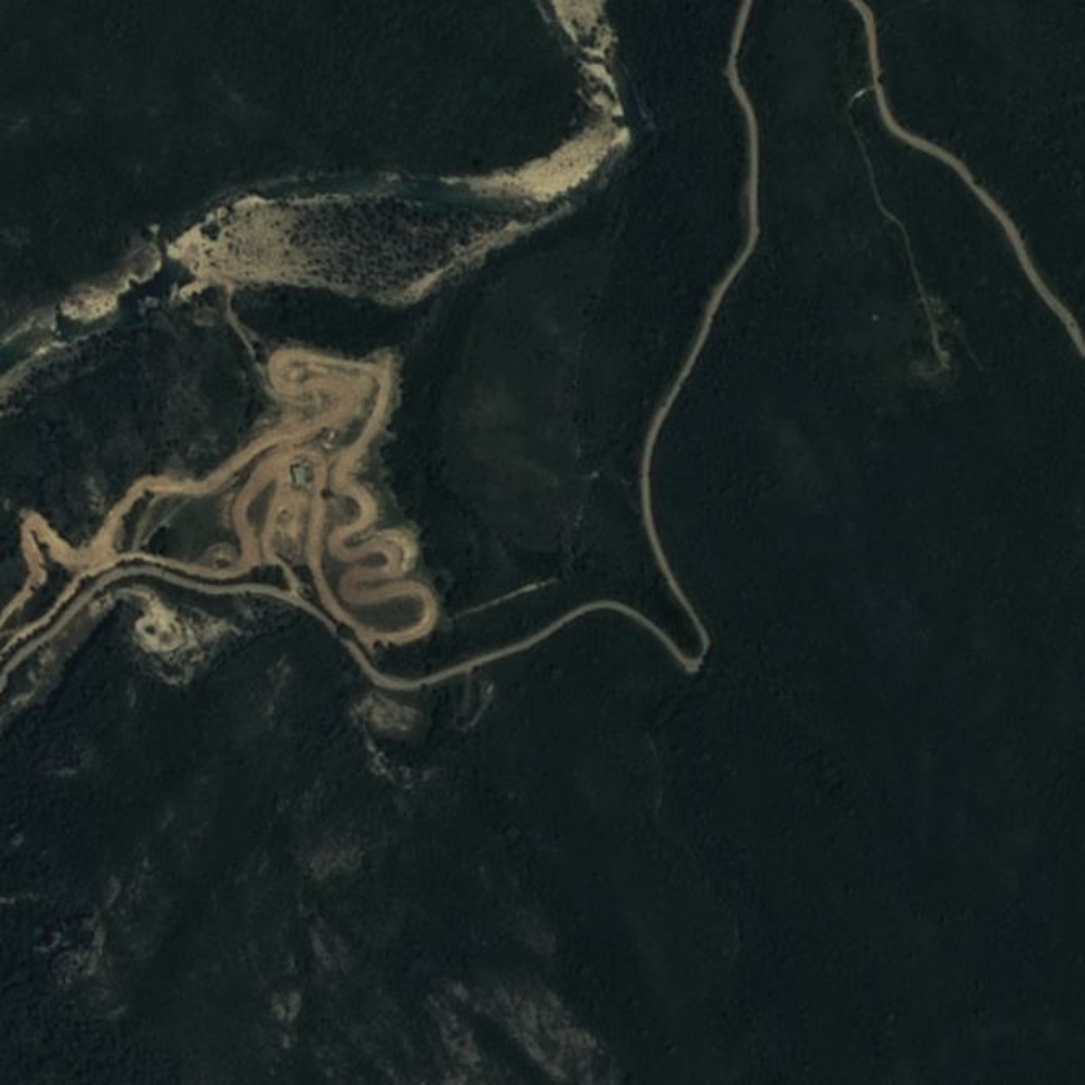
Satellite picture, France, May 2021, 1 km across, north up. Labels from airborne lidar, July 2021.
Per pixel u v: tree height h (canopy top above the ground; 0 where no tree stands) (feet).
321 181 0
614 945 21
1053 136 34
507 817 37
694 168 20
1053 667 17
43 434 40
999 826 19
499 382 0
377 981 20
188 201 30
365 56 23
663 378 30
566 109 20
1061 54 27
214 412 0
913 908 27
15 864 26
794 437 0
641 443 26
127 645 24
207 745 20
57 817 25
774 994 22
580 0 0
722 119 21
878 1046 21
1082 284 29
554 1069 0
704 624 21
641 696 22
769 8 19
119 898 18
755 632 23
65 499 24
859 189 24
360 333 32
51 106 22
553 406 0
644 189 21
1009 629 21
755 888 24
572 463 0
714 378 22
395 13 31
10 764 28
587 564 40
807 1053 21
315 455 0
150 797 24
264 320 20
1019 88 26
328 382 0
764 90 18
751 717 20
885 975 21
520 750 22
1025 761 24
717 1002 26
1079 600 22
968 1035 19
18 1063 20
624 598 22
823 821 22
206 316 0
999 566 20
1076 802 21
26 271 25
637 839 23
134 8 24
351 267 22
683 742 20
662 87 27
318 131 29
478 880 22
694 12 30
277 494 0
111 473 27
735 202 20
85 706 21
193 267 0
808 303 24
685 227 27
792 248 26
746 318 19
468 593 22
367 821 22
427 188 0
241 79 21
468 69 25
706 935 24
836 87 20
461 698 25
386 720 0
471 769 20
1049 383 28
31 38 19
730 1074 21
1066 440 21
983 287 18
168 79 18
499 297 0
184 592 26
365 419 0
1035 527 18
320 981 0
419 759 41
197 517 0
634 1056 24
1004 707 17
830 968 27
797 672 17
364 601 0
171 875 24
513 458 0
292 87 17
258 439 0
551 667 18
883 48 18
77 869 21
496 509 0
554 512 0
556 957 21
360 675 20
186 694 30
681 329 20
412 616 0
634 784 22
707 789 24
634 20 21
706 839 19
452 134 27
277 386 0
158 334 24
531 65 20
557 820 18
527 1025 0
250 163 20
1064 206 20
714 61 25
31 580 0
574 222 20
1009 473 21
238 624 24
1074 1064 17
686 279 23
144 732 31
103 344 33
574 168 0
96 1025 40
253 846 18
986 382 19
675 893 23
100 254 27
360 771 31
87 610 0
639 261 18
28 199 20
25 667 24
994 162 22
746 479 21
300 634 17
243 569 0
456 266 0
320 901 22
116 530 0
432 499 21
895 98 19
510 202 0
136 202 24
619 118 19
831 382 22
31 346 0
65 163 22
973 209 18
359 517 0
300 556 0
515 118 19
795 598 22
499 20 23
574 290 0
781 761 21
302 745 36
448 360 18
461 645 21
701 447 19
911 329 0
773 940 22
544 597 22
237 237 0
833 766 28
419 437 22
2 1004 46
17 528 25
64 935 21
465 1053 0
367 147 26
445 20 27
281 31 19
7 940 21
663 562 0
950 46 19
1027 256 0
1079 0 26
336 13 37
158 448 27
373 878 21
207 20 20
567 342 0
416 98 19
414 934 18
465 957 23
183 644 0
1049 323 31
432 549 27
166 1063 23
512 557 25
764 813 18
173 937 20
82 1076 52
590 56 0
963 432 18
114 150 22
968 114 18
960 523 17
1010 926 19
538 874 25
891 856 18
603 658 19
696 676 23
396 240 24
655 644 23
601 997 23
